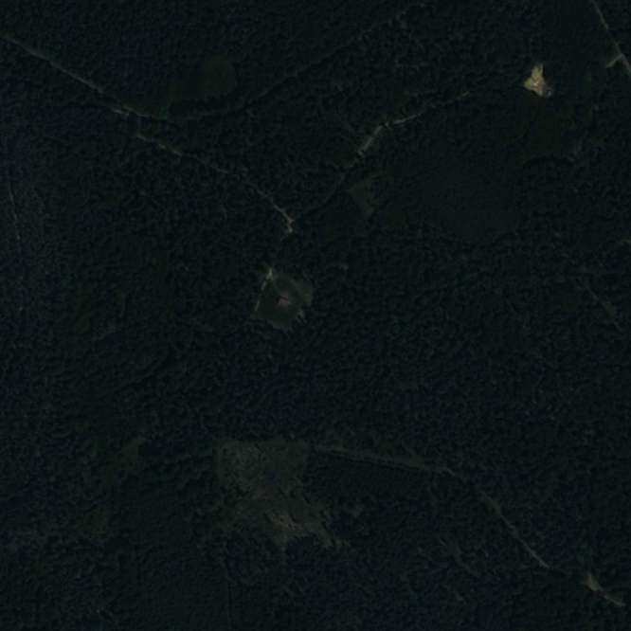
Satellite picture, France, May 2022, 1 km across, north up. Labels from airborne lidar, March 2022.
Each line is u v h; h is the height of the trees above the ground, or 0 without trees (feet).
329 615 112
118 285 84
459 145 75
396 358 106
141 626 79
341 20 73
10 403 37
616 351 97
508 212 66
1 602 91
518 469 90
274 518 97
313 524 0
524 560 100
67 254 78
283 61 75
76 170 92
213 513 93
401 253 89
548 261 96
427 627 112
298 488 92
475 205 59
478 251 68
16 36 68
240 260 78
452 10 105
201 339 97
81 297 63
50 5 89
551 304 83
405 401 100
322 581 111
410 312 93
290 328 0
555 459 96
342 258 58
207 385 75
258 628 20
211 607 90
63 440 85
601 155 30
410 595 96
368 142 0
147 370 79
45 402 56
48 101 78
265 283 0
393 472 35
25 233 69
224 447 0
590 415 100
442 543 90
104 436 61
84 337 74
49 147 76
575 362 106
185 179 102
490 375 94
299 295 0
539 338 77
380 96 88
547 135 50
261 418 95
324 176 82
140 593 81
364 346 79
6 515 72
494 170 53
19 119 74
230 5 89
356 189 0
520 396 100
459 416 96
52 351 74
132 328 84
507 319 87
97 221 72
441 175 52
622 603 0
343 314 94
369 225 41
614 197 86
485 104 39
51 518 73
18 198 67
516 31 99
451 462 103
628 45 81
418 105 85
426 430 94
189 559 98
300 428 98
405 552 100
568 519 94
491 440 95
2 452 83
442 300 93
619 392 95
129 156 73
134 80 86
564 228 98
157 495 86
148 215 108
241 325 103
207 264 73
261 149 29
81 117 101
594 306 88
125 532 39
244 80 81
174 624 90
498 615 116
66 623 86
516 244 61
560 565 141
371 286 93
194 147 23
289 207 60
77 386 71
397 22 52
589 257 95
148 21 97
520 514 96
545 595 95
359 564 95
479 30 104
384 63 24
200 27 80
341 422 89
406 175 42
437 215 48
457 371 99
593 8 77
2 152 67
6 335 87
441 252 90
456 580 105
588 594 92
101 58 91
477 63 97
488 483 102
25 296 78
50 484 32
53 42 93
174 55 85
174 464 102
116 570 77
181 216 93
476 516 98
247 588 60
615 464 111
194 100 0
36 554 82
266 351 80
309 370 97
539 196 78
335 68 85
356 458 0
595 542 45
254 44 93
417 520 97
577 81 93
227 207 95
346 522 84
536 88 0
